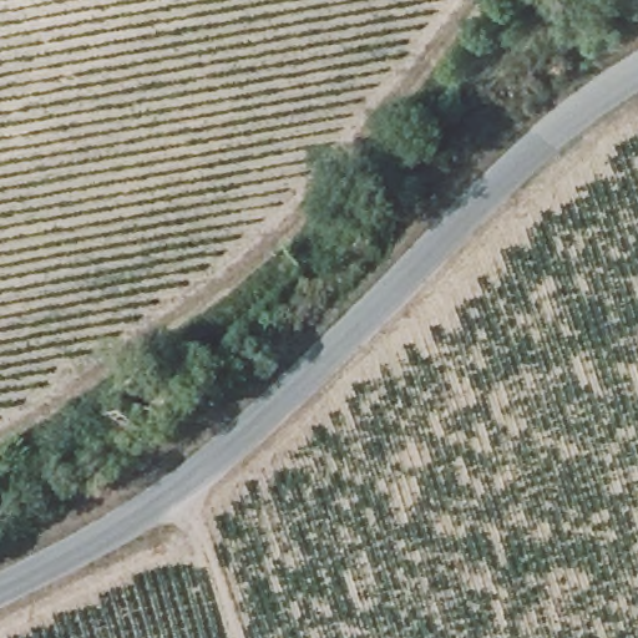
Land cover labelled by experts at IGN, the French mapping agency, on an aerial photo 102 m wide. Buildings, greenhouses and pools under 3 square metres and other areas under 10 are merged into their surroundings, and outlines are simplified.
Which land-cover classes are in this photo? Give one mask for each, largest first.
<instances>
[{"label":"vineyard","instance_id":"1","mask_svg":"<svg viewBox=\"0 0 638 638\"><path fill-rule=\"evenodd\" d=\"M481 15L476 0H0V444H7L30 426L52 419L70 399L90 391L102 379H125L117 366L120 349L137 336H145L155 326L169 329H179L192 319L202 317L207 309L229 297L237 287H242L247 277L259 272L279 249H287L302 234L307 214L321 202L324 179L334 172L329 164H307V147L326 142L349 145L364 132L371 110H376L384 100H389L391 95H416L434 75V67H439V62L454 50L461 35L459 20H474ZM586 137L576 135L568 142H563L558 147V155L553 157V164L521 194L518 202L511 199V194L501 197L498 204H493L469 229V234L454 247V252L446 254L444 262L436 264L431 274L416 289H411L404 297V302L396 304L324 379H319V384L312 391H307L304 399H299L274 426H269L259 441L249 444L232 464L219 469L197 491H192L187 498L164 511V523L177 526L167 543L137 551L130 558L105 571H97L82 581H75L65 591L52 593L50 598L0 621V638H227L212 588V576L219 571L224 576L227 593L237 611L239 626L244 628V638H638V92L621 100L601 117H596L588 125Z\"/></svg>","mask_w":638,"mask_h":638},{"label":"deciduous trees","instance_id":"2","mask_svg":"<svg viewBox=\"0 0 638 638\"><path fill-rule=\"evenodd\" d=\"M481 15L474 20H459L461 35L454 50L439 62V67H434V75L416 95H391L389 100H384L376 110H371L364 132L349 145L326 142L307 147V164H329L334 172L324 179L321 202L307 214L302 234L287 249H279L259 272L247 277L242 287H237L229 297L207 309L202 317L212 324H219V329L224 331L222 344L229 351L244 354L249 361H254L257 376H269L274 371V359L269 344H259L249 336L247 326L252 321H259L262 326L287 324L292 329H302L304 324L319 331L324 326L326 314L336 307V302L349 304V294L359 292L369 274L384 267L389 259L394 244L414 222L436 224L446 212L461 207L466 199L483 197L486 169L531 130V125H536L546 112H551L558 105V100L573 95L591 77L608 70V52H616L618 40L633 42L638 37V0H476ZM169 329L155 326L145 336H137L120 349L117 366L125 379H102L90 391L70 399L52 419L30 426L7 444H0V536L12 521V516H17L20 503H27L30 516L35 513V508L42 503L40 491L47 483L60 498H70L75 493L85 496L87 483L97 474L105 476L107 483L115 481L120 471L127 469L142 451L157 449L169 434H174L177 424L184 421L187 414L199 404L204 371L212 369L209 351L202 344H187V364L177 376L167 381L157 376L155 356L150 351Z\"/></svg>","mask_w":638,"mask_h":638},{"label":"impervious surface","instance_id":"3","mask_svg":"<svg viewBox=\"0 0 638 638\"><path fill-rule=\"evenodd\" d=\"M608 70L591 77L573 95L558 100V105L551 112H546L536 125H531V130L486 169L483 197L466 199L461 207L446 212L436 224L414 222L394 244L389 259L391 267L374 282V287L356 304H351L349 312L331 329L321 334L319 356L314 361H299V366L284 374V379L277 386H272L267 396L242 401L237 424L229 431L217 436L204 431L194 444L184 446V464L172 474L162 476L160 483L145 488L137 498L107 511L102 518L87 523L77 533L52 546L35 548L32 553L0 566V608L25 598L32 591H40L50 581H57L87 566L90 561L102 558L105 553L164 523V511L187 498L192 491H197L219 469L232 464L249 444L259 441L269 426H274L299 399H304L307 391H312L319 384V379H324L396 304L404 302V297L411 289H416L431 274L436 264L444 262L446 254L454 252V247L469 234V229L493 204H498L501 197L511 194V199L518 202L521 194L553 164V157L558 155V147L563 142H568L576 135L586 137L588 125L596 117H601L621 100L638 92V37L633 42L618 40L616 52H608Z\"/></svg>","mask_w":638,"mask_h":638},{"label":"herbaceous vegetation","instance_id":"4","mask_svg":"<svg viewBox=\"0 0 638 638\"><path fill-rule=\"evenodd\" d=\"M391 267L389 259L384 267L369 274L359 292L349 294V304L336 302V307L326 314L324 326L319 331L304 324L302 329H292L287 324L262 326L259 321H252L247 326L249 336L259 344H269L274 359V371L269 376H257L254 361H249L244 354L229 351L222 344L224 331L219 329V324H212L202 317L192 319L179 329H169L150 351L155 356L157 376L167 381L177 376L187 364V344H202L209 351L212 369L204 371L199 404L187 414L184 421L177 424L174 434H169L157 449L142 451L127 469L120 471L115 481L107 483L105 476L97 474L87 483L85 496L75 493L70 498H60L47 483L40 491L42 503L35 508V513L30 516L27 503H20L17 516H12V521L0 536V566L32 553L35 548L52 546L77 533L87 523L102 518L107 511L137 498L145 488L160 483L162 476L172 474L184 464V446L194 444L204 431L217 436L229 431L237 424L242 401L267 396L272 386H277L284 379V374L299 366V361H314L319 356L321 334L331 329L349 312L351 304H356L374 287V282ZM177 526L164 523L105 553L102 558L90 561L87 566L57 581H50L40 591H32L25 598L0 608V621L50 598L52 593L65 591L75 581H82L97 571H105L130 558L137 551L167 543Z\"/></svg>","mask_w":638,"mask_h":638},{"label":"pervious surface","instance_id":"5","mask_svg":"<svg viewBox=\"0 0 638 638\"><path fill-rule=\"evenodd\" d=\"M212 588L227 638H244V628L239 626L237 611L227 593L224 576L219 571L212 576Z\"/></svg>","mask_w":638,"mask_h":638}]
</instances>
